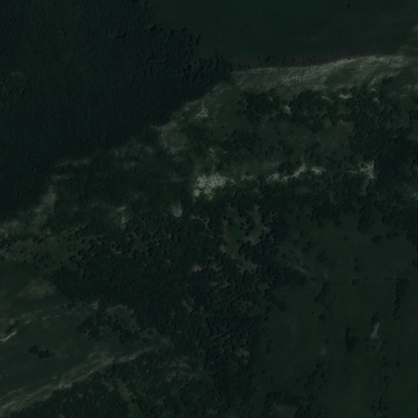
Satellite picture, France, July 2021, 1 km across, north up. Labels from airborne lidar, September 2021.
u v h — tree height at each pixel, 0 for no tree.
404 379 0
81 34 25
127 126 17
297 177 11
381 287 0
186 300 23
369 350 10
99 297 21
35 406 13
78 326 7
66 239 24
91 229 25
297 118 19
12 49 23
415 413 0
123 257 28
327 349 0
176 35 25
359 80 0
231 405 20
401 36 0
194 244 29
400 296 20
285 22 0
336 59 0
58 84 24
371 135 16
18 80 17
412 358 0
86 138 16
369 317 0
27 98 21
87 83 24
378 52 0
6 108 20
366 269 0
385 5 0
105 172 19
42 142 20
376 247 0
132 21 30
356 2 0
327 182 13
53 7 25
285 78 0
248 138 13
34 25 27
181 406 21
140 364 15
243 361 26
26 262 17
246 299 28
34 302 0
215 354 26
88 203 19
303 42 0
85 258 27
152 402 18
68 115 20
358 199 13
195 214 28
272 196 20
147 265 29
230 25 0
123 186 10
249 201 29
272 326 0
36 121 20
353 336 19
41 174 14
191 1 0
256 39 0
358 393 0
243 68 8
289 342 0
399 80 0
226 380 24
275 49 0
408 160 14
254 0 0
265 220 29
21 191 14
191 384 17
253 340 24
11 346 0
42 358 22
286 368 0
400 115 15
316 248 0
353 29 0
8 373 0
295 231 0
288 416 0
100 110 20
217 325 30
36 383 0
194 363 13
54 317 0
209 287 22
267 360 0
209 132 12
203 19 0
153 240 31
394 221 17
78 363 0
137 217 23
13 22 25
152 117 15
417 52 0
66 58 26
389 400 0
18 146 20
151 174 19
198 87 16
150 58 13
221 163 9
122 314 0
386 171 21
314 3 0
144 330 23
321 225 16
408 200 11
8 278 0
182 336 21
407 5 0
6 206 14
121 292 21
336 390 0
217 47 0
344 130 0
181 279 25
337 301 0
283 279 20
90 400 14
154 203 17
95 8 28
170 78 22
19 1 26
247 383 9
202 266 24
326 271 0
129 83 24
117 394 16
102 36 27
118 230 26
